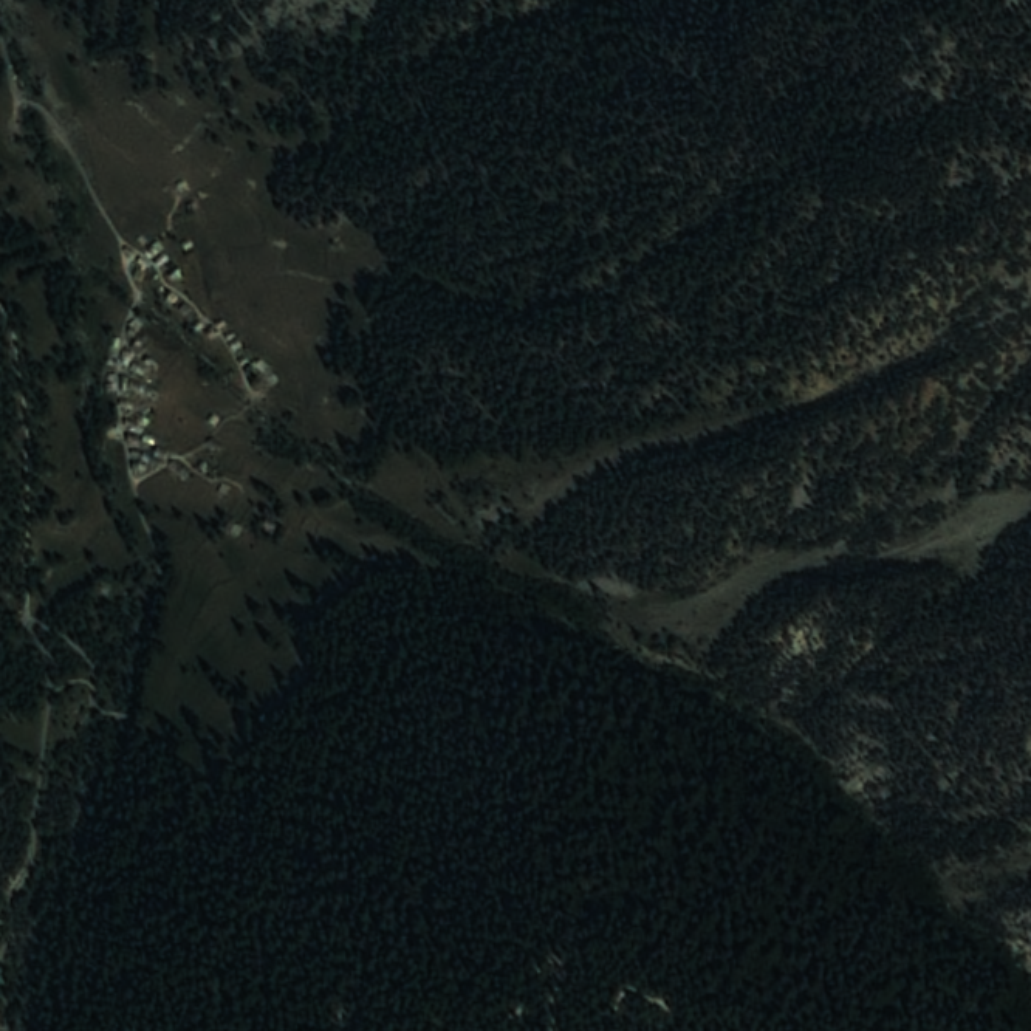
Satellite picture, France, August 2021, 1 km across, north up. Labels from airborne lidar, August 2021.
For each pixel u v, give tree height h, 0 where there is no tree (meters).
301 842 17
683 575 10
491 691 17
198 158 0
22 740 0
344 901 22
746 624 12
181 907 25
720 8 8
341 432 0
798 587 6
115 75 0
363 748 19
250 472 0
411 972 20
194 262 0
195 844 6
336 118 17
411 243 20
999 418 7
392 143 23
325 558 31
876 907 7
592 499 8
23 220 0
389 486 0
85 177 0
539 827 25
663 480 14
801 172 12
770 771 16
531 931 22
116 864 23
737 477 11
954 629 11
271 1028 28
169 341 0
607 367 17
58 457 0
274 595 0
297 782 21
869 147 14
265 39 6
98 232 0
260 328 0
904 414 9
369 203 9
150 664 19
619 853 8
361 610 18
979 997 26
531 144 10
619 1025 14
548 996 15
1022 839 7
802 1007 16
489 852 20
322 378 0
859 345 7
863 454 13
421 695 18
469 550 6
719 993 8
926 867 9
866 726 12
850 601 13
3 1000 8
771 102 12
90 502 0
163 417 0
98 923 13
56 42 0
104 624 12
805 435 7
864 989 19
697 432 0
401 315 12
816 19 11
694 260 19
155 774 22
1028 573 10
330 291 0
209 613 0
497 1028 16
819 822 10
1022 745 13
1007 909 7
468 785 19
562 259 15
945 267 9
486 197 20
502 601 8
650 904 7
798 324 10
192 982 11
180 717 0
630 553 14
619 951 22
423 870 20
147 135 0
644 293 16
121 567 0
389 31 14
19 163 0
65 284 26
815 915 23
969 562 0
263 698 0
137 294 0
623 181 19
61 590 0
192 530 0
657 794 7
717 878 8
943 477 11
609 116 15
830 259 14
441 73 13
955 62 6
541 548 12
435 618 19
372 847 9
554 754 26
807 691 9
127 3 11
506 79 9
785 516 12
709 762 22
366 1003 14
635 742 17
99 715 15
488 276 16
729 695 6
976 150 6
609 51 16
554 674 18
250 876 22
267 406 0
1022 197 10
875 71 14
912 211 9
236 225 0
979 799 13
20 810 14
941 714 13
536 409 12
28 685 11
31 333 20
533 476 0
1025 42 11
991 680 12
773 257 14
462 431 23
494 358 12
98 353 0
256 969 14
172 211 0
